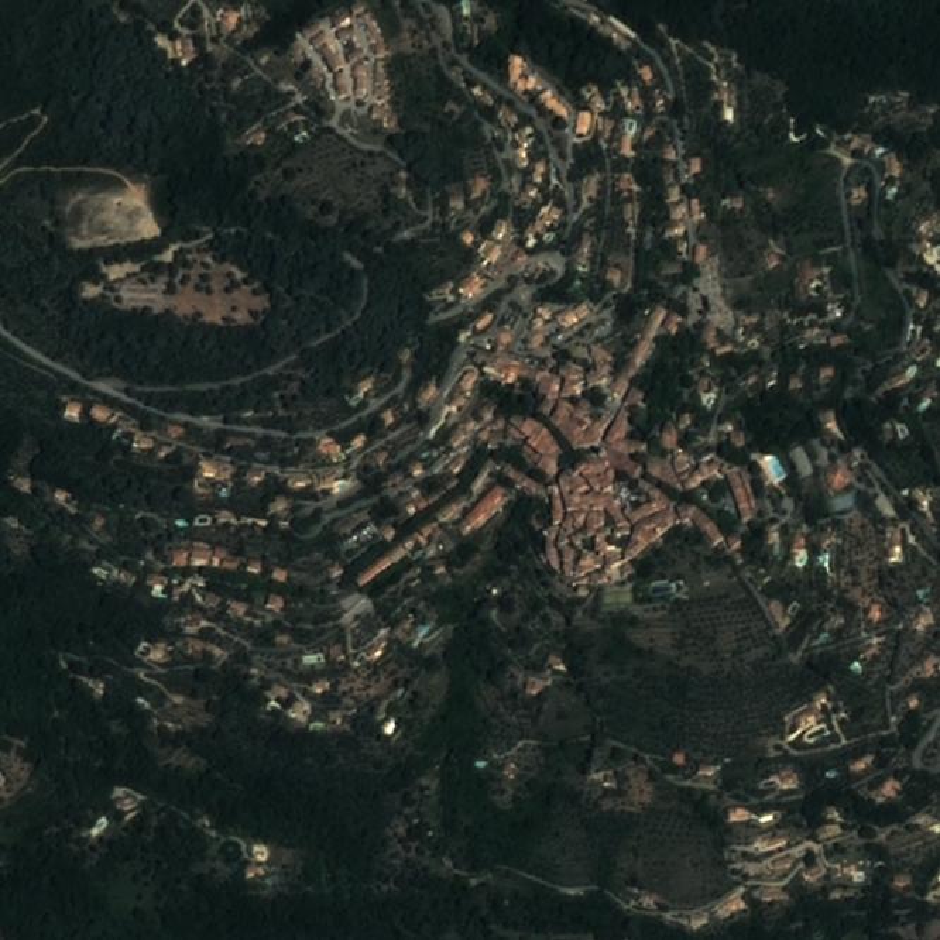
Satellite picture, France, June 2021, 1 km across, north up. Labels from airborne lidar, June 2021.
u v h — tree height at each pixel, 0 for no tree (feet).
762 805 27
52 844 22
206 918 65
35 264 33
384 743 34
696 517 0
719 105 43
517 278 27
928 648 18
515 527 30
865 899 37
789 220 22
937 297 18
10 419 52
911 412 21
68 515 25
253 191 31
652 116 22
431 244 20
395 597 21
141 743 32
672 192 0
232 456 59
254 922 62
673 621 0
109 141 55
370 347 29
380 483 41
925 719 23
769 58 49
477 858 46
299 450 29
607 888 22
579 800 27
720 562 32
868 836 48
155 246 34
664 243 32
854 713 27
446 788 20
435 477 33
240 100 63
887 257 38
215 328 19
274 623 28
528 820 31
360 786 26
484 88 20
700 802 35
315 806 44
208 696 19
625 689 18
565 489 0
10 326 24
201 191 65
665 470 0
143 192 0
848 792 35
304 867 24
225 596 35
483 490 17
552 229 23
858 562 19
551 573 24
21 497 26
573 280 34
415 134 43
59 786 18
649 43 50
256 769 26
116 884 0
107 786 64
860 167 21
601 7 77
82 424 20
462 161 25
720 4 62
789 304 26
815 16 38
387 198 38
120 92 52
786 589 19
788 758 42
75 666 69
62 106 33
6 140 25
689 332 24
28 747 32
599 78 30
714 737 25
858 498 46
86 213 0
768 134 42
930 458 44
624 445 0
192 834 22
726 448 59
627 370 0
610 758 20
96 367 23
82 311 55
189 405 24
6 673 54
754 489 43
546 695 48
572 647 37
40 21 26
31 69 56
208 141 49
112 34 44
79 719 43
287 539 41
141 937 37
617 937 36
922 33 49
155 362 57
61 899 59
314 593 40
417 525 69
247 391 52
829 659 26
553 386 0
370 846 19
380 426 53
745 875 28
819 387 22
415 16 18
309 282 67
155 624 18
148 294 0
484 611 84
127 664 23
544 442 0
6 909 52
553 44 52
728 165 22
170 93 46
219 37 24
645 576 25
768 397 50
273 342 63
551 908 24
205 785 36
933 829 0
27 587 49
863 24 30
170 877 27
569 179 31
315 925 63
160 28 38
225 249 72
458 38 31
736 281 0
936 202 22
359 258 40
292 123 27
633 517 0
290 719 0
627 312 25
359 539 22
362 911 52
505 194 32
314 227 40
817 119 38
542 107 44
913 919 42
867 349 35
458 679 26
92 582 17
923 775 38
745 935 20
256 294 39
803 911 38
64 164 34
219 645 30
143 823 37
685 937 20
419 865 23
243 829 24
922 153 33
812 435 38
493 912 31
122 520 24
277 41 33
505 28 33
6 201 28
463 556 24
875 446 47
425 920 43
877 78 58
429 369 21
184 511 21
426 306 33
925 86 57
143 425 31
